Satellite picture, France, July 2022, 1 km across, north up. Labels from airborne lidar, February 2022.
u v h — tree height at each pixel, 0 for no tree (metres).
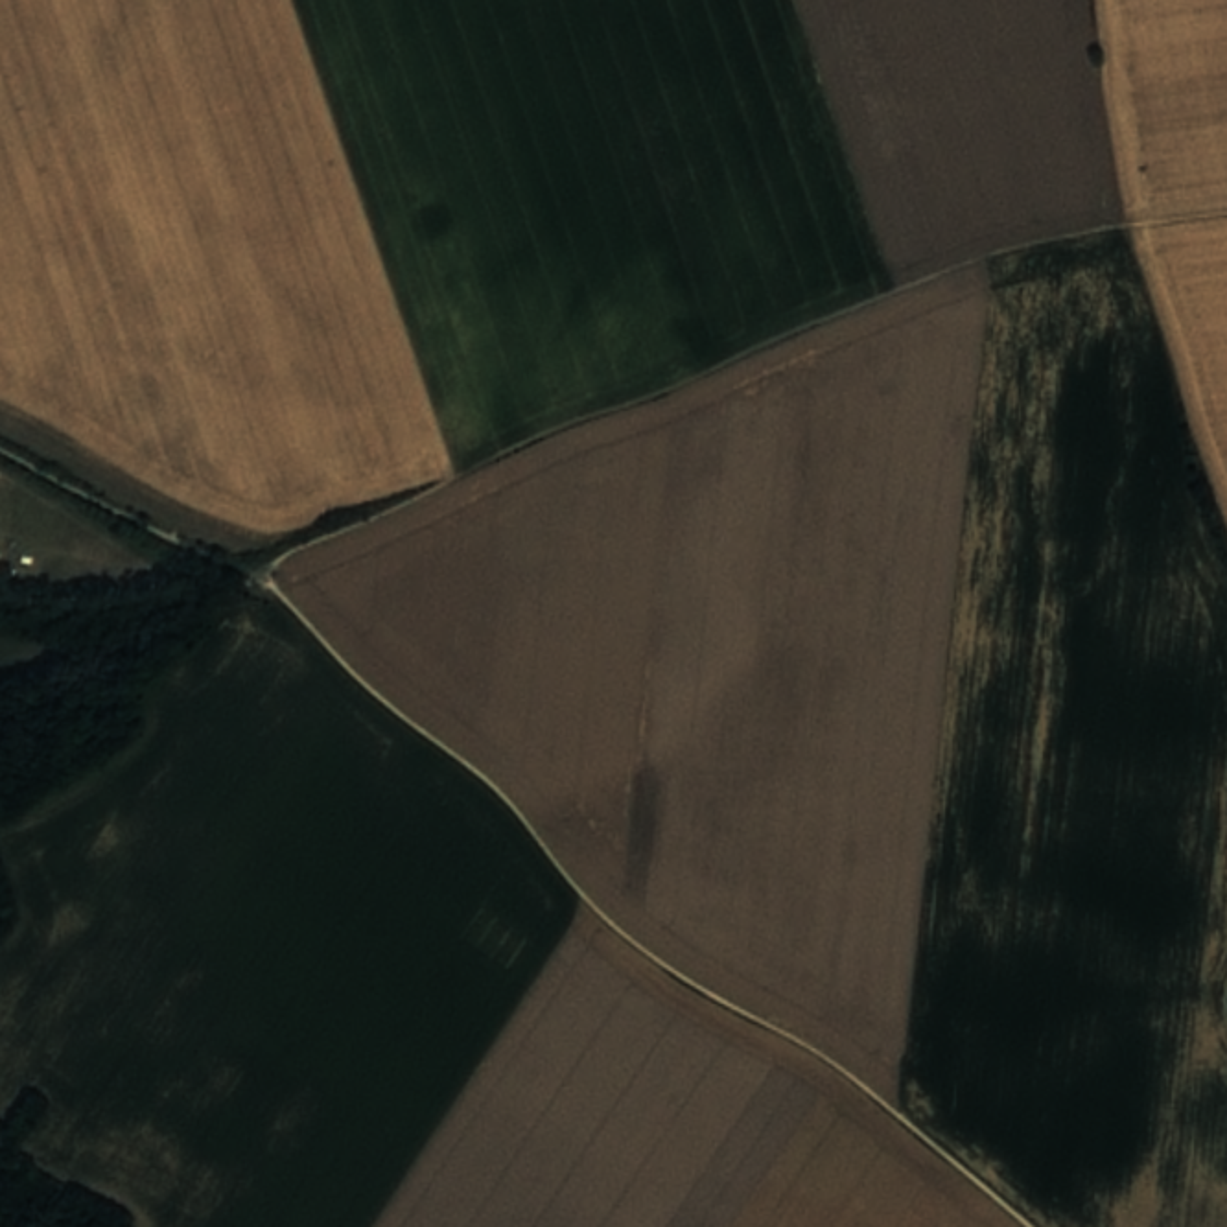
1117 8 0
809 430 0
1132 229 0
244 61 0
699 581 0
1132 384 0
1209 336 0
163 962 0
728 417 0
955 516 0
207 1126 0
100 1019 0
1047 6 0
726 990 0
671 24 0
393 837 0
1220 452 0
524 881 0
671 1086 0
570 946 0
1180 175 0
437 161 0
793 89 0
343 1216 0
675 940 0
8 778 21
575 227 0
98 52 0
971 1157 0
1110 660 0
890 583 0
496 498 0
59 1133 0
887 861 0
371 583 0
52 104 0
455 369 0
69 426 0
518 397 0
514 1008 0
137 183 0
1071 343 0
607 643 0
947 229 0
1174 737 0
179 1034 0
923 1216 0
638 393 0
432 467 0
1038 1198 0
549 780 0
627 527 0
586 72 0
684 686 0
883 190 0
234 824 0
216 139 0
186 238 0
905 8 0
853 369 0
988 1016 0
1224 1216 0
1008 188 0
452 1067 0
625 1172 0
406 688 0
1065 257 0
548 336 0
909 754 0
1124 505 0
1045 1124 0
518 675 0
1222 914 0
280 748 0
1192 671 0
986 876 0
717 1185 0
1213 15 0
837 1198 0
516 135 0
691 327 0
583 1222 0
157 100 0
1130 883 0
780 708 0
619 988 0
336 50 0
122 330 0
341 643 0
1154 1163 0
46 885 0
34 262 0
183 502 0
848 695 0
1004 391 0
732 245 0
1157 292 0
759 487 0
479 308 0
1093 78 0
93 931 0
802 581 0
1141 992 0
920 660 0
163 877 0
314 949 0
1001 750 0
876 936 0
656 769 0
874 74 0
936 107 0
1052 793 0
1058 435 0
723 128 0
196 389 0
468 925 0
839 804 0
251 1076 0
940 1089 0
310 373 0
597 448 0
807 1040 0
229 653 0
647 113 0
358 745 0
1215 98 0
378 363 0
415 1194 0
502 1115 0
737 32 0
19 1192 15
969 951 0
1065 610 0
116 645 16
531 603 0
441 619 0
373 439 0
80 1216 16
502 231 0
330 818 0
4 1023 0
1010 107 0
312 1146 0
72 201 0
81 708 19
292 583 0
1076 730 0
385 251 0
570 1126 0
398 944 0
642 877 0
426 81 0
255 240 0
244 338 0
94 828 0
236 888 0
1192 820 0
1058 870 0
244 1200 0
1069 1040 0
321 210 0
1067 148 0
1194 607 0
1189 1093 0
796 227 0
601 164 0
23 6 0
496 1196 0
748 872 0
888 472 0
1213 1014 0
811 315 0
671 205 0
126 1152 0
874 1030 0
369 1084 0
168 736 0
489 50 0
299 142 0
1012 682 0
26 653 0
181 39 0
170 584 23
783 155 0
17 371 0
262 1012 0
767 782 0
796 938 0
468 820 0
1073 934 0
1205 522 6
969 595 0
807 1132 0
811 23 0
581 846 0
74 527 0
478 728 0
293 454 0
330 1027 0
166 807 0
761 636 0
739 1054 0
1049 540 0
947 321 0
